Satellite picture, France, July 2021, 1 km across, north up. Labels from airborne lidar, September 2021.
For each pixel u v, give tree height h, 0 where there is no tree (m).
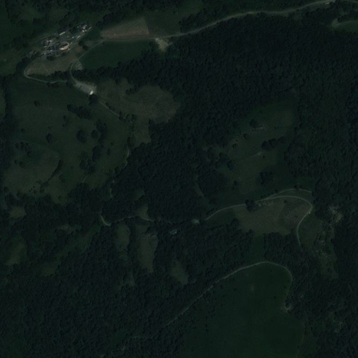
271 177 18
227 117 21
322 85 8
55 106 0
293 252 18
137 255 11
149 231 12
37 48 0
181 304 12
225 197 0
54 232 7
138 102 0
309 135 22
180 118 16
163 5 6
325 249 7
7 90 19
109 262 16
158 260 22
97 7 26
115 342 0
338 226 13
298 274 15
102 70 20
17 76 15
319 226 0
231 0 11
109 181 15
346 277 14
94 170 23
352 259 20
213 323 0
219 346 0
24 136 0
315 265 10
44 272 0
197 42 20
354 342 19
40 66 0
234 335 0
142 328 17
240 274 0
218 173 17
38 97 0
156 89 0
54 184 0
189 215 24
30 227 23
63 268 28
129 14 8
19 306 22
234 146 11
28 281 12
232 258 9
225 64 31
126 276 14
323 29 24
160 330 11
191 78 29
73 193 18
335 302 22
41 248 17
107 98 0
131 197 20
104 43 7
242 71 15
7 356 14
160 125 13
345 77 20
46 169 0
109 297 12
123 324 8
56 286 23
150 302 29
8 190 13
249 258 0
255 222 0
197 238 13
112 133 0
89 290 12
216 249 10
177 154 17
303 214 0
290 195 0
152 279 9
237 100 21
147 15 0
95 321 21
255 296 0
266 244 8
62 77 21
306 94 22
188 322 14
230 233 14
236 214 0
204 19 17
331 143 8
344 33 13
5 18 0
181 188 7
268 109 0
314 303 22
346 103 25
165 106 0
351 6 17
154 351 27
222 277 11
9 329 13
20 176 0
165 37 0
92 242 8
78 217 19
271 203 0
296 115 0
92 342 13
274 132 0
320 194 16
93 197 13
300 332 0
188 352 0
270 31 24
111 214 20
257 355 0
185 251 17
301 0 16
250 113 13
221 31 18
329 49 23
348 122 25
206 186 19
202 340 0
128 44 0
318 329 16
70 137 0
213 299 9
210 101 18
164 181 19
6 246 15
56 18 0
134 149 7
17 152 0
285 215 0
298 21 7
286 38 22
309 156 11
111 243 18
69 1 25
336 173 26
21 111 0
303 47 22
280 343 0
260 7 10
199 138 14
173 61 26
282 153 0
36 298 29
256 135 0
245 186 0
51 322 29
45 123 0
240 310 0
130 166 19
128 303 28
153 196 19
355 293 11
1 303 23
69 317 13
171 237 13
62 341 14
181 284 12
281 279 0
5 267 15
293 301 15
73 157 0
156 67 28
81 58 0
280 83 12
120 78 10
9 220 15
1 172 26
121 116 10
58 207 23
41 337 14
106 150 0
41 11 17
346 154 27
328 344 20
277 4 9
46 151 0
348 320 26
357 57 27
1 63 0
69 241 20
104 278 25
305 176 12
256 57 24
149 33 0
